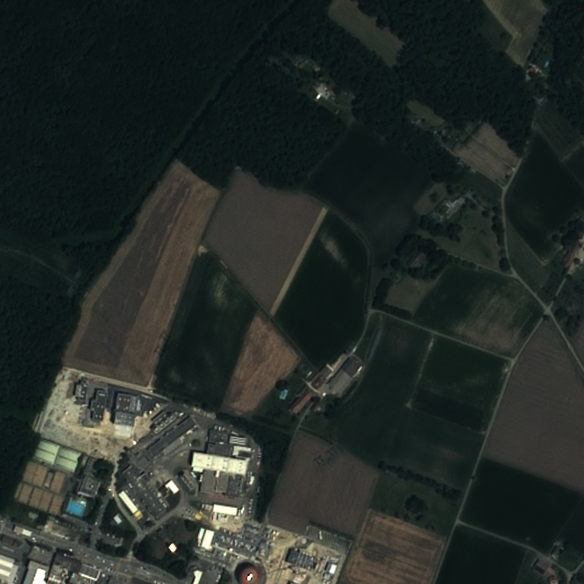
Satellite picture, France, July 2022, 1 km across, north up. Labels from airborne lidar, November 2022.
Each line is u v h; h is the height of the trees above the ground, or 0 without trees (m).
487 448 0
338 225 0
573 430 0
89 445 0
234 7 23
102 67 25
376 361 0
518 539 0
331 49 26
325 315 0
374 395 0
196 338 0
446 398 0
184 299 0
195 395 0
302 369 0
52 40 24
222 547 0
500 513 0
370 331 0
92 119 26
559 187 0
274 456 10
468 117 23
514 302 0
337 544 0
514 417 0
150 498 0
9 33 27
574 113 22
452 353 0
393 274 6
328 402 0
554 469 0
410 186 0
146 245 0
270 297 0
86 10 17
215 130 23
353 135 0
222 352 0
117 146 21
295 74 10
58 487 0
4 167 23
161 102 25
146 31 27
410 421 0
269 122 23
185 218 0
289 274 0
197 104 25
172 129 28
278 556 0
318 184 0
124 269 0
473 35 22
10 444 24
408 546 0
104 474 11
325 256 0
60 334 24
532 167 0
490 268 0
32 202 25
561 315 13
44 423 0
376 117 24
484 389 0
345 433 0
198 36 26
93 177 28
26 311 23
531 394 0
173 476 0
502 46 0
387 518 0
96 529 0
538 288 0
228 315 0
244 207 0
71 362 0
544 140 0
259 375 0
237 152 23
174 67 26
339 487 0
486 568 0
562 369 0
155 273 0
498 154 0
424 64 26
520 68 19
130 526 0
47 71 28
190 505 0
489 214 9
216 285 0
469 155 0
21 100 21
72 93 24
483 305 0
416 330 0
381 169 0
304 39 24
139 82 27
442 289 0
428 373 0
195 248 0
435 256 18
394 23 26
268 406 0
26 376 24
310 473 0
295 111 27
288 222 0
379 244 0
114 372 0
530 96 16
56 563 0
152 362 0
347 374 0
